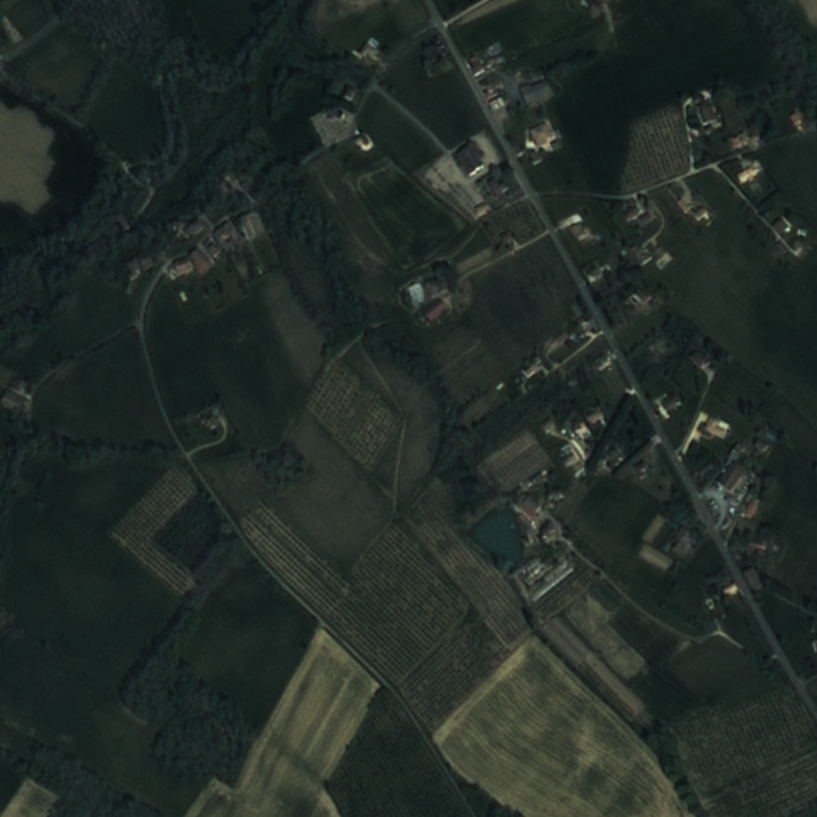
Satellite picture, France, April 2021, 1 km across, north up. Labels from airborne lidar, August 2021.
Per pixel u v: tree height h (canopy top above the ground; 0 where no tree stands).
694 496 0
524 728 0
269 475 13
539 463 13
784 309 0
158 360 0
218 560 21
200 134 7
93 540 0
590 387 7
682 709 0
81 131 0
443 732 0
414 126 0
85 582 0
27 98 15
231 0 0
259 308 0
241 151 24
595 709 0
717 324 0
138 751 0
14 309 29
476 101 0
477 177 0
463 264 0
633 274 16
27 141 0
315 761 0
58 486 0
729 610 9
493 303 0
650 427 0
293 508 0
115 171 18
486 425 9
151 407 0
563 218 0
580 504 0
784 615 0
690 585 0
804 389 0
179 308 0
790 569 0
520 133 0
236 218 7
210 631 0
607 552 0
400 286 0
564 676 0
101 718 0
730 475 0
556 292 0
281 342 0
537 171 0
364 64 12
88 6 33
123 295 0
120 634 0
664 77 0
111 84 0
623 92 0
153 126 0
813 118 8
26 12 0
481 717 0
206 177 19
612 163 0
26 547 0
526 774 0
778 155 0
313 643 0
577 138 0
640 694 0
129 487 0
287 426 0
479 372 0
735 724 5
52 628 0
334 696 0
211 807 0
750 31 0
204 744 21
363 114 0
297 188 22
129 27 24
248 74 17
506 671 0
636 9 0
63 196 0
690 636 0
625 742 0
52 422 0
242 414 0
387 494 0
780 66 0
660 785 0
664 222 0
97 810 18
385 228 0
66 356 0
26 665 0
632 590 0
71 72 0
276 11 8
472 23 0
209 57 18
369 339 15
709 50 0
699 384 5
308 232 21
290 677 0
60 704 0
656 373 9
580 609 0
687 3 0
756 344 0
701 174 0
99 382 0
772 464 0
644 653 0
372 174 0
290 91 15
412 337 8
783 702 6
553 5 0
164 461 19
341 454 0
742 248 0
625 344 0
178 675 23
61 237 8
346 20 0
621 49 0
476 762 0
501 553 0
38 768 9
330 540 0
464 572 12
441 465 14
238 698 0
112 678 0
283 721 0
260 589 0
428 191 0
